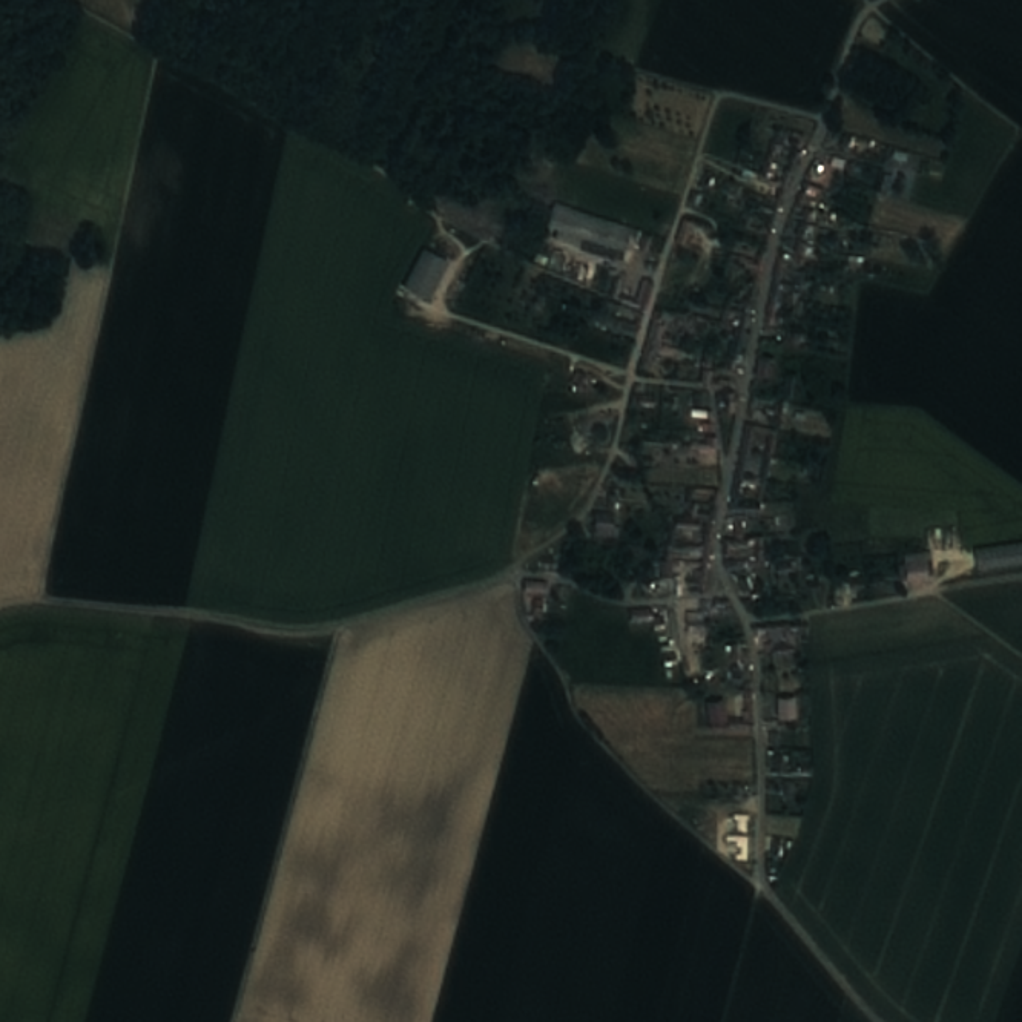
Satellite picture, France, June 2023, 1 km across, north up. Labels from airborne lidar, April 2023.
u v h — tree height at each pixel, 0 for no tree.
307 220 0
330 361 0
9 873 0
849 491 0
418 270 0
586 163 0
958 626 0
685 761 0
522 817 0
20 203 16
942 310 0
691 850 0
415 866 0
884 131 0
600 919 0
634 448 10
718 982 0
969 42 0
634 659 0
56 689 0
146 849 0
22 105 16
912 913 0
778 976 0
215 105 0
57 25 23
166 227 0
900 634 0
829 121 18
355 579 0
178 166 0
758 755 0
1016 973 0
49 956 0
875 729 0
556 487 0
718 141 0
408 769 0
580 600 0
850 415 0
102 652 0
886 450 0
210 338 0
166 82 0
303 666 0
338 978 0
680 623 0
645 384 0
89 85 0
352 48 21
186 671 0
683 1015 0
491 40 20
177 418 0
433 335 0
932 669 0
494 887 0
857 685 0
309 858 0
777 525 0
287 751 0
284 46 24
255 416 0
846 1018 0
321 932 0
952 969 0
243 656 0
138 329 0
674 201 0
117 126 0
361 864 0
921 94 9
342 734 0
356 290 0
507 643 0
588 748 0
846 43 0
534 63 0
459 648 0
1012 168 0
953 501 0
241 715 0
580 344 0
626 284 0
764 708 0
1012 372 0
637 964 0
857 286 0
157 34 22
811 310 10
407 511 0
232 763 0
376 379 0
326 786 0
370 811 0
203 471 0
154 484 0
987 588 0
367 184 0
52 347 0
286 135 0
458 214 0
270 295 0
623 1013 0
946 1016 0
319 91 25
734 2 0
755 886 0
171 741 0
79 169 0
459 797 0
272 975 0
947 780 0
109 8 0
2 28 20
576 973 0
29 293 24
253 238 0
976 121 0
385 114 27
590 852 0
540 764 0
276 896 0
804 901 0
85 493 0
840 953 0
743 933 0
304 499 0
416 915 0
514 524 0
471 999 0
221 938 0
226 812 0
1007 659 0
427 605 0
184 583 0
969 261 0
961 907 0
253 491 0
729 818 0
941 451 0
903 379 0
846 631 0
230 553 0
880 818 0
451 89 28
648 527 0
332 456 0
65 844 0
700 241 0
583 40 22
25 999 0
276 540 0
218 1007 0
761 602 17
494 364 0
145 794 0
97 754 0
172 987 0
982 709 0
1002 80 0
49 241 0
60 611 0
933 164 0
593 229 0
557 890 0
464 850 0
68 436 0
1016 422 0
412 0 26
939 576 0
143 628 0
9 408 0
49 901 0
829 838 0
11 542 0
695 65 0
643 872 0
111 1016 0
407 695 0
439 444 0
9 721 0
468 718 0
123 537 0
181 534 0
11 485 0
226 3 28
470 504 0
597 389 9
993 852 0
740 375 0
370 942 0
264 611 0
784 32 0
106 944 0
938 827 0
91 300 0
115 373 0
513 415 0
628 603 0
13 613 0
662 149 0
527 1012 0
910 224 0
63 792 0
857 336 0
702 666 0
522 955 0
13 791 0
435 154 20
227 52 25
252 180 0
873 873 0
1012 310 0
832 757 0
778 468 0
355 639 0
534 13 0
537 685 0
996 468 0
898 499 0
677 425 0
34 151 0
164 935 0
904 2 0
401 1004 0
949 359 0
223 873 0
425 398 0
